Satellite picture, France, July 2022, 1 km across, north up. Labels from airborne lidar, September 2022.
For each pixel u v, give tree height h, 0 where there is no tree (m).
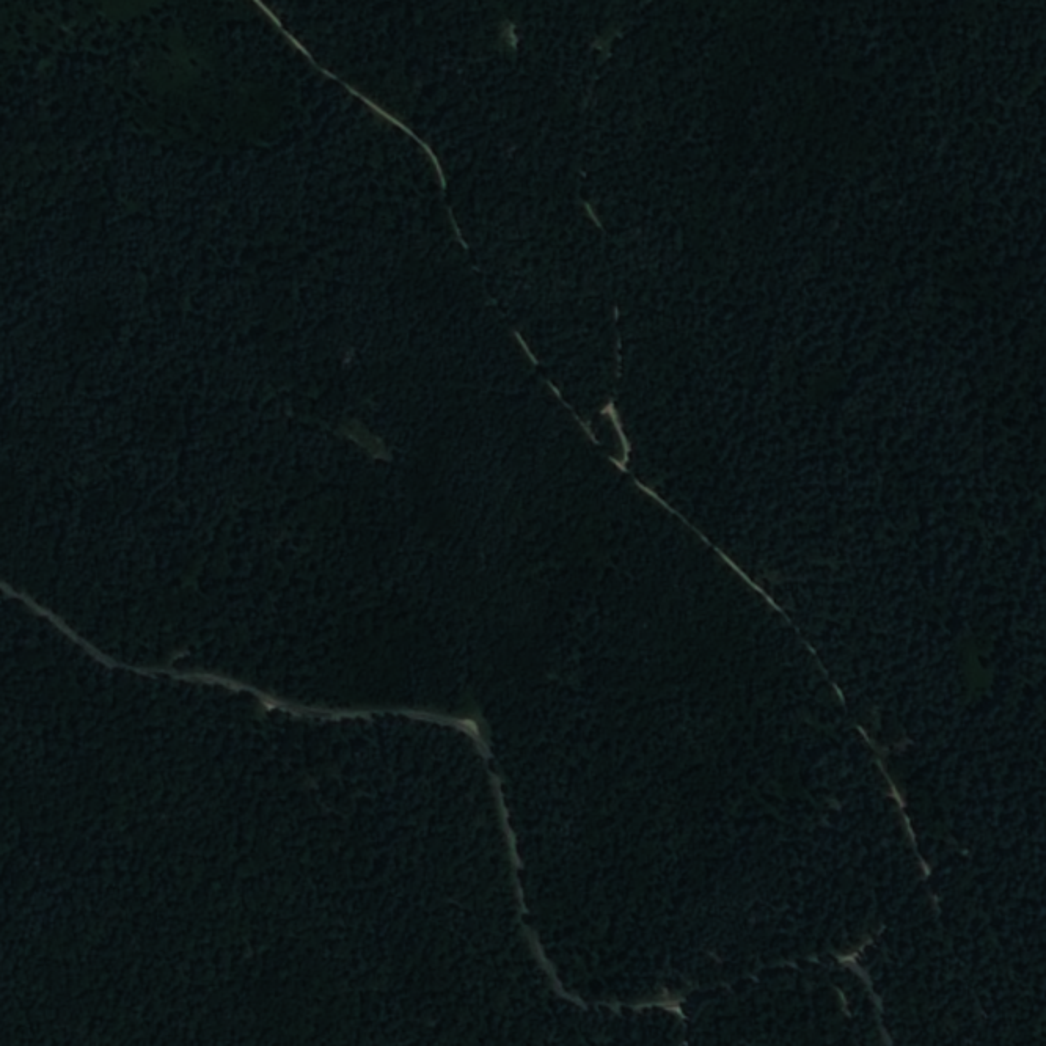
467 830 16
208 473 18
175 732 24
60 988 17
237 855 9
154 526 20
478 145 26
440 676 19
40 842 17
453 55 15
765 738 17
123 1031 15
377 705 12
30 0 14
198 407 28
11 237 21
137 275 29
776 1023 25
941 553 21
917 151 16
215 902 15
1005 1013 26
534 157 12
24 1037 22
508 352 28
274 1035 17
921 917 32
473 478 22
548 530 14
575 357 21
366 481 23
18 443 19
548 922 19
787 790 6
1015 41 23
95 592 25
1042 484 24
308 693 22
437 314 17
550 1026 22
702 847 15
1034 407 7
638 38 17
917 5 14
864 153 12
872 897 5
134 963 18
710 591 12
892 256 13
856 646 22
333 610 8
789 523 24
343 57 11
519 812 17
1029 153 24
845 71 24
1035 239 27
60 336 25
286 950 11
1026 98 20
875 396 26
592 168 13
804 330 9
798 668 16
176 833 21
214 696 17
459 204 16
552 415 28
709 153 10
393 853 27
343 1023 15
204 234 27
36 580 15
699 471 16
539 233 15
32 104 22
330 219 12
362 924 16
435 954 20
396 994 17
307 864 16
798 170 21
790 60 18
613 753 22
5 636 27
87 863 26
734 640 11
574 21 20
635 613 13
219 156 14
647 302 10
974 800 14
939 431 29
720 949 25
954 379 34
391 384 19
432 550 10
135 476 27
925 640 33
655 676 14
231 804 17
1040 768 25
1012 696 28
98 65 26
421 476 19
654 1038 21
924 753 20
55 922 24
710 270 18
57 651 26
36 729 21
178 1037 17
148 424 28
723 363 17
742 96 12
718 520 22
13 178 21
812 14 12
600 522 18
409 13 7
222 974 18
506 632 16
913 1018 18
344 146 21
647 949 19
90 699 13
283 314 24
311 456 26
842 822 33
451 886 20
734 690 6
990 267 6
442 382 19
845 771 38
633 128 16
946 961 17
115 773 14
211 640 24
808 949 27
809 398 6
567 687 6
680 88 13
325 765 25
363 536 21
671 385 13
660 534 21
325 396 16
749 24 12
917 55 12
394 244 17
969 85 11
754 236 14
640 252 15
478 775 22
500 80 16
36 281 24
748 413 21
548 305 16
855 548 21
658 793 16
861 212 12
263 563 28
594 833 15
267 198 25
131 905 20
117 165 21
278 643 22
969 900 27
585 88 19
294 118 22
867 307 9
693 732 13
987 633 7
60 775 16
